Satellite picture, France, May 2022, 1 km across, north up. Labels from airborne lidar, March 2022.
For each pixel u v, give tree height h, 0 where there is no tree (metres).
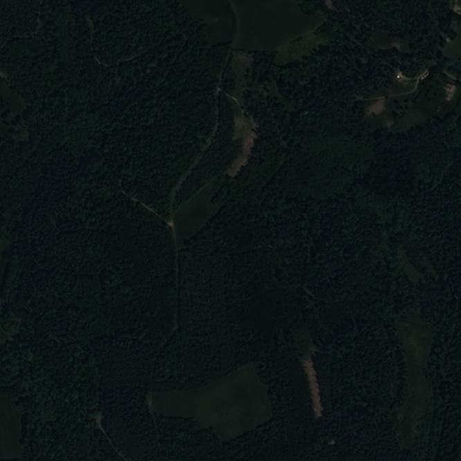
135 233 8
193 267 14
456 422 15
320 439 19
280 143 12
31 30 9
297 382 20
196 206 0
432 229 25
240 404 0
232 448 13
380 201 26
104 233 12
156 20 12
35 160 22
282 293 9
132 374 24
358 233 24
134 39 22
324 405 24
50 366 25
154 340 17
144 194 14
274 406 6
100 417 0
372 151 16
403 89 0
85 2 20
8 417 0
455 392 19
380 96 0
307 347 0
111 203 10
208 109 16
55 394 32
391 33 12
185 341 11
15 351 29
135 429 16
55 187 28
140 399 27
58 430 26
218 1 0
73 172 32
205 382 19
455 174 23
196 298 14
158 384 18
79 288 8
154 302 15
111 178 14
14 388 26
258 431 7
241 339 12
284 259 24
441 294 29
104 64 10
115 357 22
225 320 19
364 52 20
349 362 19
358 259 26
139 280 16
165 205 12
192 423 12
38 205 25
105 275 24
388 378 8
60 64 23
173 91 6
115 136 20
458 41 0
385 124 0
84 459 33
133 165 16
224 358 20
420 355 0
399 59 10
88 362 31
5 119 16
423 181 31
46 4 12
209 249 12
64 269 23
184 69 9
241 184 8
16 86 7
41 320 26
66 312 21
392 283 36
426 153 24
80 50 16
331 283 31
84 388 27
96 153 10
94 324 9
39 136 16
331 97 28
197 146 11
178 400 0
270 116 13
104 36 11
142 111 16
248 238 28
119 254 18
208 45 18
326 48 8
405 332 0
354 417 34
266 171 8
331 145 18
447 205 27
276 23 0
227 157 6
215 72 8
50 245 25
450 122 24
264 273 9
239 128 0
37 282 26
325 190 15
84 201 19
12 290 21
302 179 19
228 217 14
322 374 18
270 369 12
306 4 20
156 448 21
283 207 23
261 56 16
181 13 12
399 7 16
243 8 0
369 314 15
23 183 25
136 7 6
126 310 15
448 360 8
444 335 8
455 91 0
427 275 27
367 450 30
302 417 19
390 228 22
